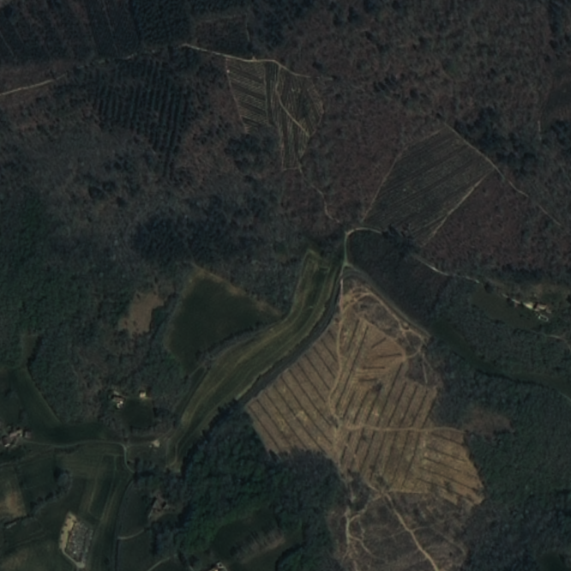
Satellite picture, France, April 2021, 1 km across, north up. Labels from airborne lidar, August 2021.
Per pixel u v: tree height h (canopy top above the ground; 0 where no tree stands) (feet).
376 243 21
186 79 27
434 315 49
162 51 27
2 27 20
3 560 0
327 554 65
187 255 91
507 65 58
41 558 0
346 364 0
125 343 43
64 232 78
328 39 36
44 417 0
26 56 25
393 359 0
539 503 73
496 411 75
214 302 0
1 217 40
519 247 23
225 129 25
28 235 56
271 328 0
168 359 79
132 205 50
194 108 18
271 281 49
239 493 62
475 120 49
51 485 0
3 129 50
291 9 30
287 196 33
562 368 68
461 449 0
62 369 55
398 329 0
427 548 0
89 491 0
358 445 0
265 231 43
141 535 0
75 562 0
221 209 83
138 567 0
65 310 69
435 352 63
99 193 19
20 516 0
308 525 85
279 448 0
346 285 0
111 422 26
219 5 79
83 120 29
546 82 23
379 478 79
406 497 0
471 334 68
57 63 31
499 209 39
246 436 52
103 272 51
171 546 80
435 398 0
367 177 20
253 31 33
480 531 46
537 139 65
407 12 53
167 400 62
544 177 22
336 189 19
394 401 0
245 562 62
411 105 50
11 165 44
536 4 59
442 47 57
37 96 0
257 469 90
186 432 0
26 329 67
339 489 72
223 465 72
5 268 60
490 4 19
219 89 33
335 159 53
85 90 49
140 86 45
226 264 80
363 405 0
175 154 42
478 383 69
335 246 64
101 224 45
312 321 0
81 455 0
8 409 0
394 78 36
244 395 0
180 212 54
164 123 38
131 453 0
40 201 58
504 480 82
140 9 70
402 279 38
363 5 20
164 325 48
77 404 40
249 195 42
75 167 32
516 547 51
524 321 0
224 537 0
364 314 0
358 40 19
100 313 40
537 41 44
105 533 0
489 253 34
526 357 53
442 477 0
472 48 57
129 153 47
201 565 51
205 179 35
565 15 36
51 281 85
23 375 0
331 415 0
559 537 74
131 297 28
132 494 0
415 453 0
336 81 58
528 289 52
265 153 56
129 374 44
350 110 37
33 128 24
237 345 53
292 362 0
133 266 57
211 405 0
